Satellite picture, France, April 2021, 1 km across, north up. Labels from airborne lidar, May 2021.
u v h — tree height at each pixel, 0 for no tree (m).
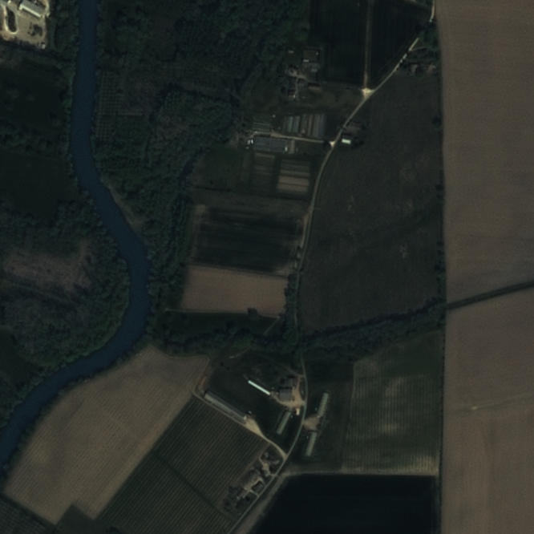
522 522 0
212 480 0
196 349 21
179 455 0
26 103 0
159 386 0
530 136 0
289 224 0
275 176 0
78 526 0
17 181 0
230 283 0
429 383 0
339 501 0
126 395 0
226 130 10
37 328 21
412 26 0
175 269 11
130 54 10
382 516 0
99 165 13
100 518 0
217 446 0
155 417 0
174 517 0
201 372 0
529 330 0
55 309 26
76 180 14
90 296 24
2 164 0
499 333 0
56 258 18
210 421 0
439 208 0
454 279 0
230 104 11
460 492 0
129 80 10
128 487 0
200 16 25
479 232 0
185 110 14
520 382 0
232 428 0
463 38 0
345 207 0
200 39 34
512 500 0
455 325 0
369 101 0
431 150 0
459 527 0
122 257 20
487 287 0
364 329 18
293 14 25
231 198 0
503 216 0
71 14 16
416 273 0
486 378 0
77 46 14
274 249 0
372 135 0
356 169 0
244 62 32
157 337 22
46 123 0
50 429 0
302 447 0
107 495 0
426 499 0
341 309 0
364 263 0
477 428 0
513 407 0
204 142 16
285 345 21
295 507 0
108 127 21
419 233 0
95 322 28
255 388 0
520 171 0
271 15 26
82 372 0
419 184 0
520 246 0
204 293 0
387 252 0
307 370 0
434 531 0
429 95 0
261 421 0
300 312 9
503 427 0
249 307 0
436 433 0
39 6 0
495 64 0
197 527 0
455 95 0
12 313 27
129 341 0
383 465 0
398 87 0
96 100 10
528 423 0
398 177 0
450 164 0
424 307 0
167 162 9
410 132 0
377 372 0
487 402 0
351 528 0
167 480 0
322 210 0
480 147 0
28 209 0
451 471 0
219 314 0
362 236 0
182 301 0
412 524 0
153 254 26
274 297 0
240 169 0
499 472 0
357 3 0
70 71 25
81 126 0
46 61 22
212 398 0
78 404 0
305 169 0
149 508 0
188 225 29
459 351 0
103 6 14
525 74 0
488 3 0
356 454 0
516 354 0
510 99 0
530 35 0
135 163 18
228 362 0
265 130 0
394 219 0
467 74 0
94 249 15
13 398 18
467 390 0
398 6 0
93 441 0
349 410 0
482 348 0
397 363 0
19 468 0
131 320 0
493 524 0
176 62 14
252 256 0
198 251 0
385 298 0
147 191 13
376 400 0
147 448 0
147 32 21
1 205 18
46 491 0
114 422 0
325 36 0
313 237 0
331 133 0
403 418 0
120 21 18
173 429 0
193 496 0
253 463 0
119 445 0
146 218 25
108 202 0
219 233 0
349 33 0
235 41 33
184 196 15
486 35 0
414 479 0
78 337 28
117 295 27
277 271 0
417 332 13
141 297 0
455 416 0
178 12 34
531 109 0
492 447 0
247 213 0
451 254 0
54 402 12
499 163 0
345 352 18
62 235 18
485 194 0
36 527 16
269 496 0
